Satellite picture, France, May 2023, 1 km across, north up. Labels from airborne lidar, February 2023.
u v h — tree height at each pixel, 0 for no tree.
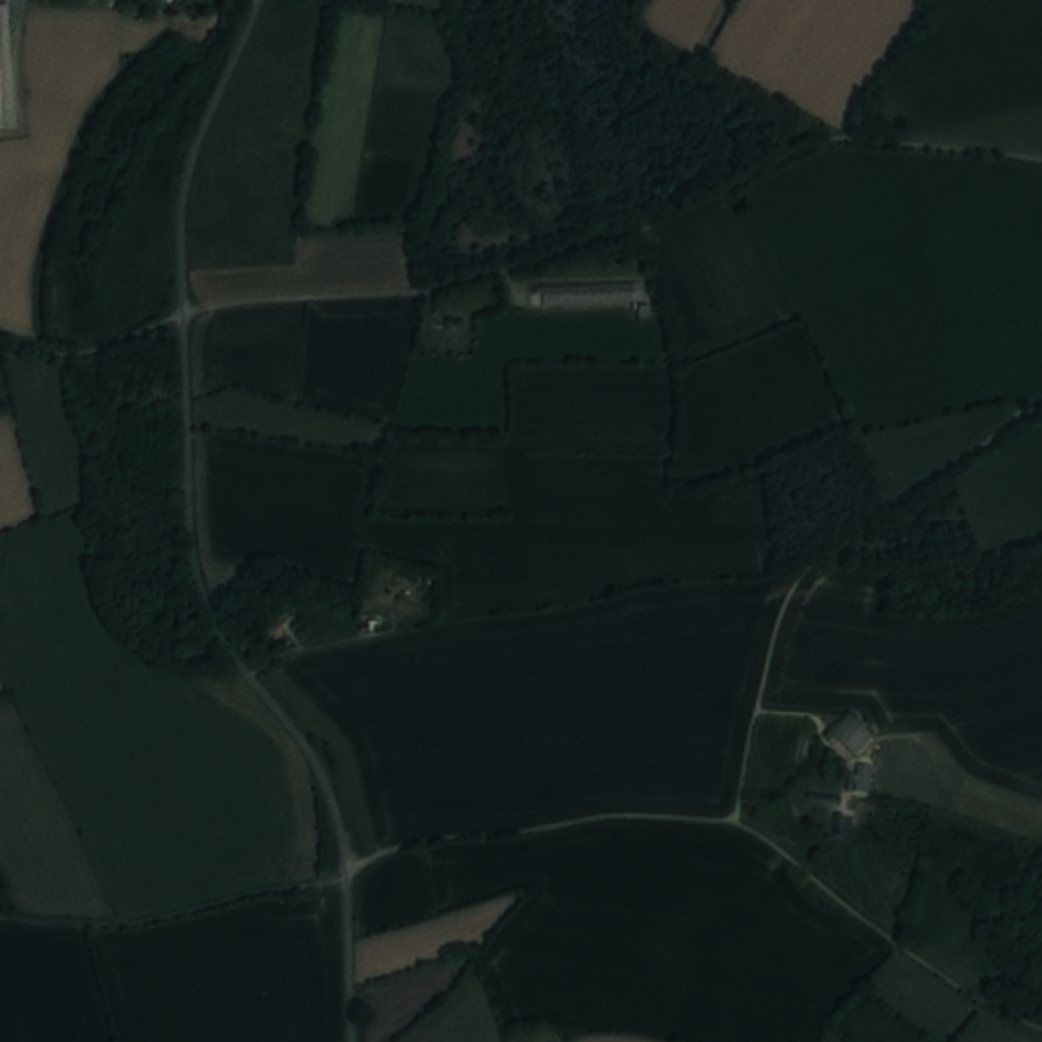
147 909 0
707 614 0
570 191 7
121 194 13
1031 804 0
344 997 0
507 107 14
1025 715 0
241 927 0
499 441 18
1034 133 0
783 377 0
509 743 0
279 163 0
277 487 0
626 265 16
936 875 0
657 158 14
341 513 0
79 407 8
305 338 0
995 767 0
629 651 0
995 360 0
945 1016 0
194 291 0
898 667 0
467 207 9
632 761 0
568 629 0
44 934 0
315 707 0
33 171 0
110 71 0
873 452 0
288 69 0
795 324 11
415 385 0
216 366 0
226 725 0
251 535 0
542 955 0
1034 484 0
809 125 22
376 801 0
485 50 12
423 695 0
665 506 0
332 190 0
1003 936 12
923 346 0
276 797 0
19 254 0
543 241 8
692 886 0
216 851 0
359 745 0
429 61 0
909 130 16
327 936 0
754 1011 0
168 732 0
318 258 0
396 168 0
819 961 0
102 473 12
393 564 10
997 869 0
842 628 0
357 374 0
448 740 0
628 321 0
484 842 13
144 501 11
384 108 0
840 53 0
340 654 0
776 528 17
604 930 0
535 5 12
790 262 0
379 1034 0
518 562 0
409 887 0
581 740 0
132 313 0
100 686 0
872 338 0
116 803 0
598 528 0
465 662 0
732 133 17
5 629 0
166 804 0
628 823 0
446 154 13
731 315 0
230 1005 0
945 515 14
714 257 0
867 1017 0
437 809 0
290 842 0
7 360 9
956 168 0
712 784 0
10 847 0
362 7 15
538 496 0
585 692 0
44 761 0
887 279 0
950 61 0
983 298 0
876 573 19
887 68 13
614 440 0
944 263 0
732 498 0
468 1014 0
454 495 0
